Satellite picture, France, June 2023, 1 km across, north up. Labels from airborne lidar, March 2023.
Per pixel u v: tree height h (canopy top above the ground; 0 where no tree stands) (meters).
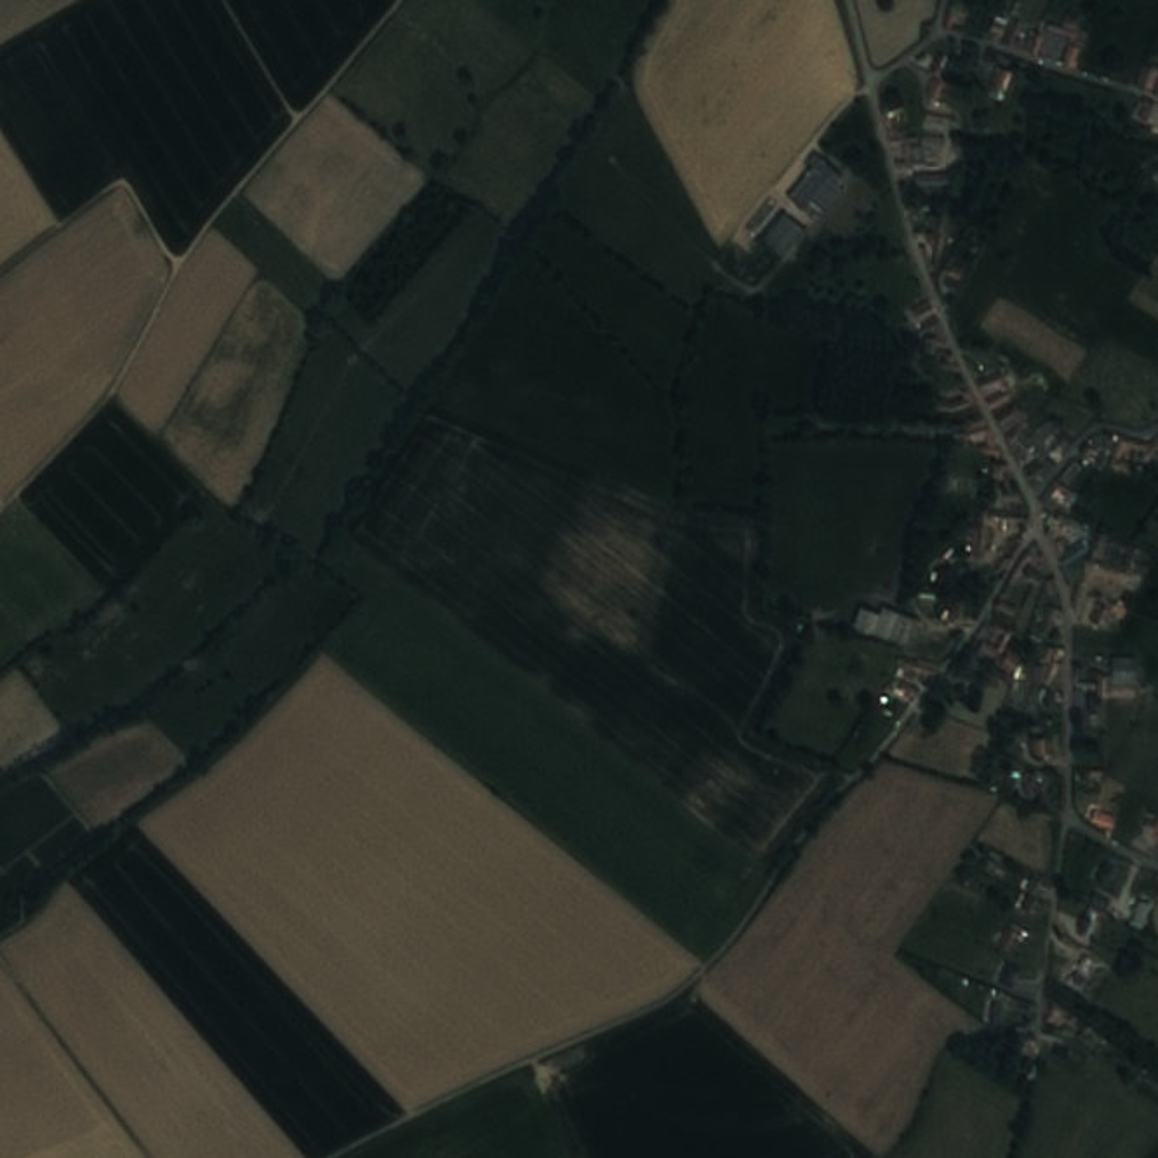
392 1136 0
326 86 0
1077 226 0
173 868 0
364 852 0
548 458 0
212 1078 0
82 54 0
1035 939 0
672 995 0
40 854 0
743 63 0
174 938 0
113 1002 0
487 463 0
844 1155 0
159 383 0
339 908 0
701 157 0
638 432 0
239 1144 0
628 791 0
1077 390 0
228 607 0
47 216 0
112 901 0
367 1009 0
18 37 0
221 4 0
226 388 0
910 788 0
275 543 14
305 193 0
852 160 16
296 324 0
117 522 0
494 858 0
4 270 0
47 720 0
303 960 0
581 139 16
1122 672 0
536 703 0
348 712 0
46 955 0
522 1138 0
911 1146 0
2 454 0
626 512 0
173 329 0
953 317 0
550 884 0
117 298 0
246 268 0
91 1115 0
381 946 0
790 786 0
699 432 0
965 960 0
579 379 0
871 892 0
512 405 0
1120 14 6
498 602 0
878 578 0
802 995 0
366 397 0
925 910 0
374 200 0
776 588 0
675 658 0
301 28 0
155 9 0
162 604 0
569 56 0
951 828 0
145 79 0
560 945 0
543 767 0
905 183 7
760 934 0
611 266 0
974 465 0
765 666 0
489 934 0
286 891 0
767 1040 0
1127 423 0
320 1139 0
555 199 15
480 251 0
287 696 0
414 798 0
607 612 0
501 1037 0
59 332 0
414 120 0
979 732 0
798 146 0
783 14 0
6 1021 0
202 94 0
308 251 0
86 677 0
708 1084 0
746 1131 0
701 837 0
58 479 0
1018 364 0
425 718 0
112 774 0
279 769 0
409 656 0
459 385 0
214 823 0
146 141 0
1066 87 0
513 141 0
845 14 0
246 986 0
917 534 18
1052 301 0
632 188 0
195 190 0
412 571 0
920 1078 0
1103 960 0
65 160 0
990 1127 0
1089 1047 0
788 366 0
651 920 0
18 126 0
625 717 0
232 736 9
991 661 12
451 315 0
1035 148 8
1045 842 0
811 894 0
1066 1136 0
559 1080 0
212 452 0
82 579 0
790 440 7
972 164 14
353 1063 0
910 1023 0
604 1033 0
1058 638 9
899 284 0
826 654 0
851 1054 0
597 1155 0
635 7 0
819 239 0
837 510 0
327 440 0
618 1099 0
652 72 0
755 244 0
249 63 0
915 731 0
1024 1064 8
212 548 0
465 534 0
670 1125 0
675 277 0
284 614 0
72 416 0
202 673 0
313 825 0
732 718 0
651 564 0
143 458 0
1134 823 0
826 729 0
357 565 0
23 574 0
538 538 0
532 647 0
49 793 0
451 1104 0
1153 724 0
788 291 0
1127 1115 0
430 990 0
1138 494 0
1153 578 0
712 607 0
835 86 0
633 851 0
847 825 0
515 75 0
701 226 0
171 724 0
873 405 29
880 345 30
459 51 0
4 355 0
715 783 0
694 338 9
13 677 0
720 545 0
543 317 0
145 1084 0
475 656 0
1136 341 0
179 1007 0
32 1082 0
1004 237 0
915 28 0
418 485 0
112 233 0
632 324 0
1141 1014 0
